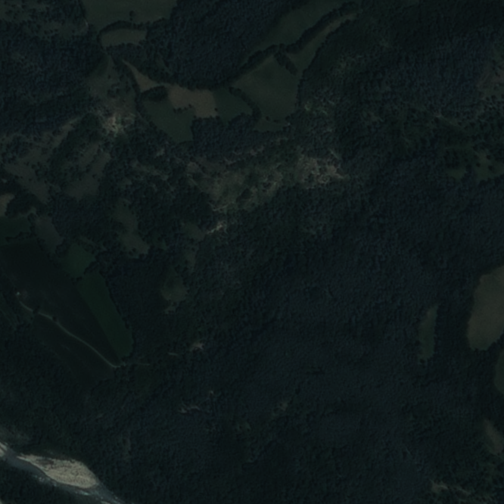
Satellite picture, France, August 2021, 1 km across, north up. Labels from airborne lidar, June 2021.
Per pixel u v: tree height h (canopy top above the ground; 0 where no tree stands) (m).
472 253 26
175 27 21
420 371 25
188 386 21
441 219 23
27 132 10
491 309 0
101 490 0
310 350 26
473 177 23
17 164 10
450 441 14
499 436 0
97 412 15
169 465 21
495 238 28
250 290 23
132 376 17
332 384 23
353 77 12
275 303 26
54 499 7
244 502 16
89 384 0
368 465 17
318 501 10
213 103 0
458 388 28
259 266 7
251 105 11
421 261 19
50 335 0
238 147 17
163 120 0
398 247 19
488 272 21
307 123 16
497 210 24
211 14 10
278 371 24
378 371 27
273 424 10
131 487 9
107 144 10
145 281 23
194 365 20
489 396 17
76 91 8
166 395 17
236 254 15
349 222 25
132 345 0
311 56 0
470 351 19
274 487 18
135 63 17
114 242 21
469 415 9
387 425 24
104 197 12
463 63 17
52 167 8
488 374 16
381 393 25
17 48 16
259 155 10
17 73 12
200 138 21
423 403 22
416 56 12
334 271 21
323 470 17
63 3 16
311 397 22
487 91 0
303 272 26
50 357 17
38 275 0
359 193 17
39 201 12
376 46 15
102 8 0
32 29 10
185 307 14
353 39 22
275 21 17
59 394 19
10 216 14
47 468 0
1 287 24
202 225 12
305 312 29
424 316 15
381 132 19
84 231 21
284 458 21
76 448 13
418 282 26
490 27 20
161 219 17
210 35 17
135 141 15
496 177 0
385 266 25
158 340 29
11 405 10
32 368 21
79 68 13
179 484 14
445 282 25
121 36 0
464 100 12
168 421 20
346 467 21
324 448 11
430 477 18
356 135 21
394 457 22
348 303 24
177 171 16
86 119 10
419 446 19
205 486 23
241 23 22
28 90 14
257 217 8
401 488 19
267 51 7
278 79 0
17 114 25
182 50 24
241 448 21
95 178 6
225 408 19
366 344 25
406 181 24
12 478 22
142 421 14
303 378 22
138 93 8
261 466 23
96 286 0
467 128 10
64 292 0
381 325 29
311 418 18
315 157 12
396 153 9
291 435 23
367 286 23
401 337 24
